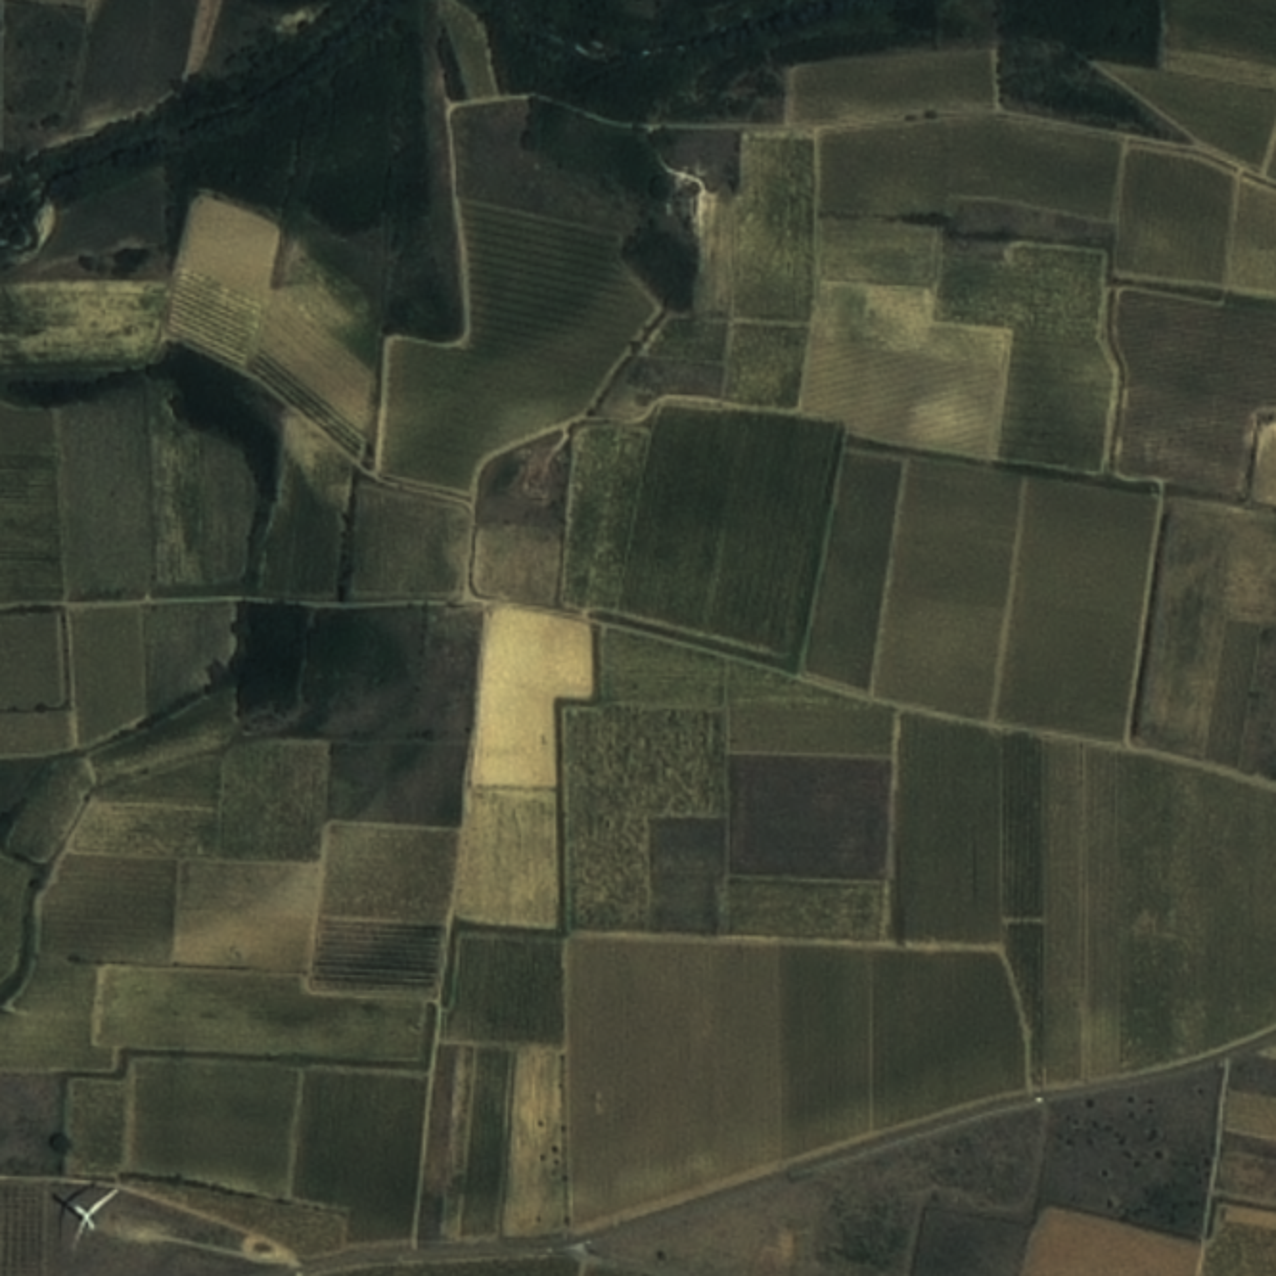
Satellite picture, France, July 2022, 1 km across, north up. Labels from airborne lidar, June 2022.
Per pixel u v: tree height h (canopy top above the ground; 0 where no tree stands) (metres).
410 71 7
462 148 0
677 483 0
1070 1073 0
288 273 0
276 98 5
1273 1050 0
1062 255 0
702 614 0
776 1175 0
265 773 0
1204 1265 0
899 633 0
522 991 0
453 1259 0
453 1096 0
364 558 0
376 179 6
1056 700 0
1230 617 0
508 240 0
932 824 0
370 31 5
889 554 0
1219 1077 0
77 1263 0
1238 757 0
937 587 0
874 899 0
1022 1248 0
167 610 0
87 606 0
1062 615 0
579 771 0
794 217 0
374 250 0
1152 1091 0
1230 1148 0
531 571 0
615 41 6
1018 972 0
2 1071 0
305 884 0
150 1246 0
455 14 0
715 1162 0
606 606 0
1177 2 0
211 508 0
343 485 0
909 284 0
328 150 5
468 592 0
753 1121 0
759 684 0
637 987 0
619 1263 0
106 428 0
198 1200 0
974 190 0
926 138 0
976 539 0
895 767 0
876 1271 0
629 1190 0
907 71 0
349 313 0
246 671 10
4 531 0
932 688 0
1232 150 0
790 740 0
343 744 0
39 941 0
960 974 0
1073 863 0
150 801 0
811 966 0
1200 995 0
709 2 6
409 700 0
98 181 7
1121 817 0
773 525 0
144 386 0
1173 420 0
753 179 0
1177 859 0
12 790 0
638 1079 0
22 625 0
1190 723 0
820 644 0
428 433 0
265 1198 0
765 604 0
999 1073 0
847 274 0
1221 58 0
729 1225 0
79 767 0
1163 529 0
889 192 0
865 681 0
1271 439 0
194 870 0
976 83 0
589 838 0
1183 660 0
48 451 0
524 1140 0
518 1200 0
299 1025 0
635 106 8
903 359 0
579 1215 0
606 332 0
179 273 0
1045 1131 0
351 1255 0
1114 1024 0
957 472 0
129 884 0
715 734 0
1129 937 0
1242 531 0
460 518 0
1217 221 0
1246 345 0
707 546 0
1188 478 0
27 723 0
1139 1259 0
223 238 0
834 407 0
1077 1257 0
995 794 0
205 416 9
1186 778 0
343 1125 0
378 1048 0
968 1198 0
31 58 0
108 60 0
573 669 0
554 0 12
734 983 0
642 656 0
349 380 0
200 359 7
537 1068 0
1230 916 0
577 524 0
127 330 0
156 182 0
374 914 0
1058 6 9
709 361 0
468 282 0
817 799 0
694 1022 0
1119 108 5
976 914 0
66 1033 0
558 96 8
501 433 0
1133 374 0
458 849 0
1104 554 0
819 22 8
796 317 0
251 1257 0
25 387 12
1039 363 0
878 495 0
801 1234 0
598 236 0
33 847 0
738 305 0
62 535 0
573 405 0
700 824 0
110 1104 0
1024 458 0
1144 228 0
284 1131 0
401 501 0
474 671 0
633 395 0
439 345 0
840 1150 0
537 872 0
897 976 0
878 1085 0
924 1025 0
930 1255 0
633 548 0
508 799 0
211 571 0
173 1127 0
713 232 0
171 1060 0
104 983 0
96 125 0
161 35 0
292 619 10
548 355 0
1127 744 0
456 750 0
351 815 0
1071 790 0
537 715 0
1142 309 0
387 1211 0
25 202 14
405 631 0
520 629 0
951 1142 0
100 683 0
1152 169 0
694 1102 0
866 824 0
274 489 9
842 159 0
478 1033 0
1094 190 0
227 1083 0
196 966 0
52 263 0
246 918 0
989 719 0
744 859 0
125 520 0
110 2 0
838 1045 0
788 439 0
